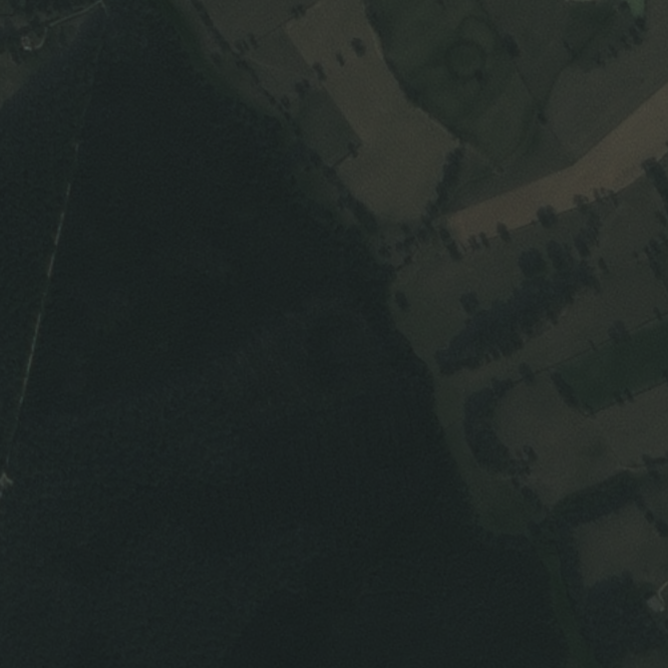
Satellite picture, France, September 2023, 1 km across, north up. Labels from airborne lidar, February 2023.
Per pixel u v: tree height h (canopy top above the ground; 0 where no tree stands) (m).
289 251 14
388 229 0
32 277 27
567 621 0
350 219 0
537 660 10
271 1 0
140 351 6
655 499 0
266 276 11
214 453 27
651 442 0
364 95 0
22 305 27
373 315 12
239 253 11
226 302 7
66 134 27
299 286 15
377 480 17
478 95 0
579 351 0
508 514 0
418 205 0
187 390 24
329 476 22
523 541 14
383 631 14
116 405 21
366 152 0
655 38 0
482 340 17
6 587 22
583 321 0
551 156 0
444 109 0
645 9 0
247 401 13
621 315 0
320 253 16
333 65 0
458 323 0
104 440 27
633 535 0
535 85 0
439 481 7
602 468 0
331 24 0
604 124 0
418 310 0
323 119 0
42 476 21
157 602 29
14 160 31
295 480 21
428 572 7
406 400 21
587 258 0
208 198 19
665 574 0
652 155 0
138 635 25
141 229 16
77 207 8
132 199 20
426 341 0
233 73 0
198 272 12
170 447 25
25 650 21
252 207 13
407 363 10
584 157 0
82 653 23
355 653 13
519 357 0
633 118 0
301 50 0
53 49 0
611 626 17
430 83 0
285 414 14
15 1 15
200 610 22
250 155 11
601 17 0
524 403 0
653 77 0
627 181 0
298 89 13
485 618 11
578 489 0
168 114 19
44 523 29
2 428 24
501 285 0
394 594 9
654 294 0
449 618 10
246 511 21
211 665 25
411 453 15
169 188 20
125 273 7
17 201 26
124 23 26
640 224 0
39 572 24
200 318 8
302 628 15
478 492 0
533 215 0
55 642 26
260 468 21
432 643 11
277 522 17
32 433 21
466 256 0
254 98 0
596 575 0
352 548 14
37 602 26
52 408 8
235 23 0
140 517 23
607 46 0
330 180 14
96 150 21
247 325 10
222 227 10
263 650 15
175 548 23
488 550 7
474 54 0
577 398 16
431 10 0
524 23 0
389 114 0
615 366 0
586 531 0
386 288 16
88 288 11
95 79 10
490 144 0
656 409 0
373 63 0
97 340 9
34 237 26
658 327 0
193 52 0
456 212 0
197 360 8
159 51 14
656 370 0
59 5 17
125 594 27
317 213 25
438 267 0
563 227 0
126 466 28
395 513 17
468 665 9
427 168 0
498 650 13
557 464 0
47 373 6
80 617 23
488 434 17
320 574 22
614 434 0
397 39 0
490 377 0
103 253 5
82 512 24
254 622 14
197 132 21
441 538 7
